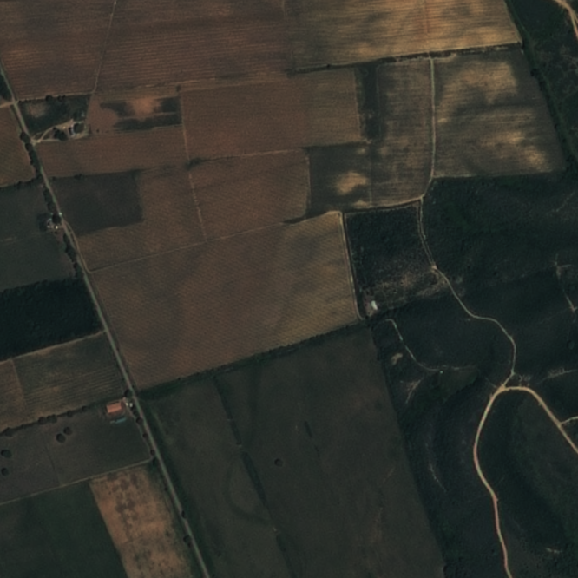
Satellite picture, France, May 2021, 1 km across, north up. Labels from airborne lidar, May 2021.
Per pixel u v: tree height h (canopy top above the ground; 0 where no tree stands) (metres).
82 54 0
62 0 0
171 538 0
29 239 0
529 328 0
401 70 0
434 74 0
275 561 0
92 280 0
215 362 0
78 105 0
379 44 0
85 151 0
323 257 0
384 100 0
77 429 0
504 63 0
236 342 0
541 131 0
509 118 0
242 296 0
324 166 0
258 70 0
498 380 0
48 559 0
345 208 0
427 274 0
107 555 0
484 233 6
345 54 0
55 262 0
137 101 0
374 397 0
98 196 0
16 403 0
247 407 0
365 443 0
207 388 0
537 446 0
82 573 0
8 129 0
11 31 0
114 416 0
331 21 0
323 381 0
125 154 0
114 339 0
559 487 0
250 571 0
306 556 0
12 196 0
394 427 0
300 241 0
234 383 0
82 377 0
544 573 0
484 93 0
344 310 0
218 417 0
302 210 0
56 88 0
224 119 0
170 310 0
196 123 0
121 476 0
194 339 0
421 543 0
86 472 0
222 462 0
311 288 0
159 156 0
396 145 0
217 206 0
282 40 0
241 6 0
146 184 0
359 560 0
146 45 0
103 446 0
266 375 0
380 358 8
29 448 0
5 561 0
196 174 0
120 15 0
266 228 0
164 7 0
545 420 0
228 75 0
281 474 0
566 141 12
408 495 0
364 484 0
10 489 0
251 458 0
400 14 0
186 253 0
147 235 0
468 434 0
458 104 0
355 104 0
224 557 0
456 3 0
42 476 0
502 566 0
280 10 0
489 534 0
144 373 0
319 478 0
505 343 0
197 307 0
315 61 0
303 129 0
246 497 0
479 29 0
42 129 0
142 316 0
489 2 0
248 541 0
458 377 0
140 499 0
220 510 0
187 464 0
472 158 0
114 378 0
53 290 7
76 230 0
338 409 0
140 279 0
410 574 0
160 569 0
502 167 0
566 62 0
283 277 0
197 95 0
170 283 0
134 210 0
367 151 0
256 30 0
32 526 0
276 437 0
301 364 0
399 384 0
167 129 0
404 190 0
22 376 0
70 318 6
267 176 0
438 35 0
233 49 0
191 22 0
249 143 0
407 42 0
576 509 0
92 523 0
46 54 0
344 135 0
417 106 0
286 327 0
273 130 0
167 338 0
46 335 6
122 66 0
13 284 0
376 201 0
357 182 0
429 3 0
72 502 0
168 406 0
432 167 0
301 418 0
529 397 0
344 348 0
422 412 6
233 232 0
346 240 0
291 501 0
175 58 0
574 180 9
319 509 0
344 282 0
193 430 0
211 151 0
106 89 0
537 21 0
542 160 0
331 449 0
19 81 0
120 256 0
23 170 0
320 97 0
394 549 0
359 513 0
